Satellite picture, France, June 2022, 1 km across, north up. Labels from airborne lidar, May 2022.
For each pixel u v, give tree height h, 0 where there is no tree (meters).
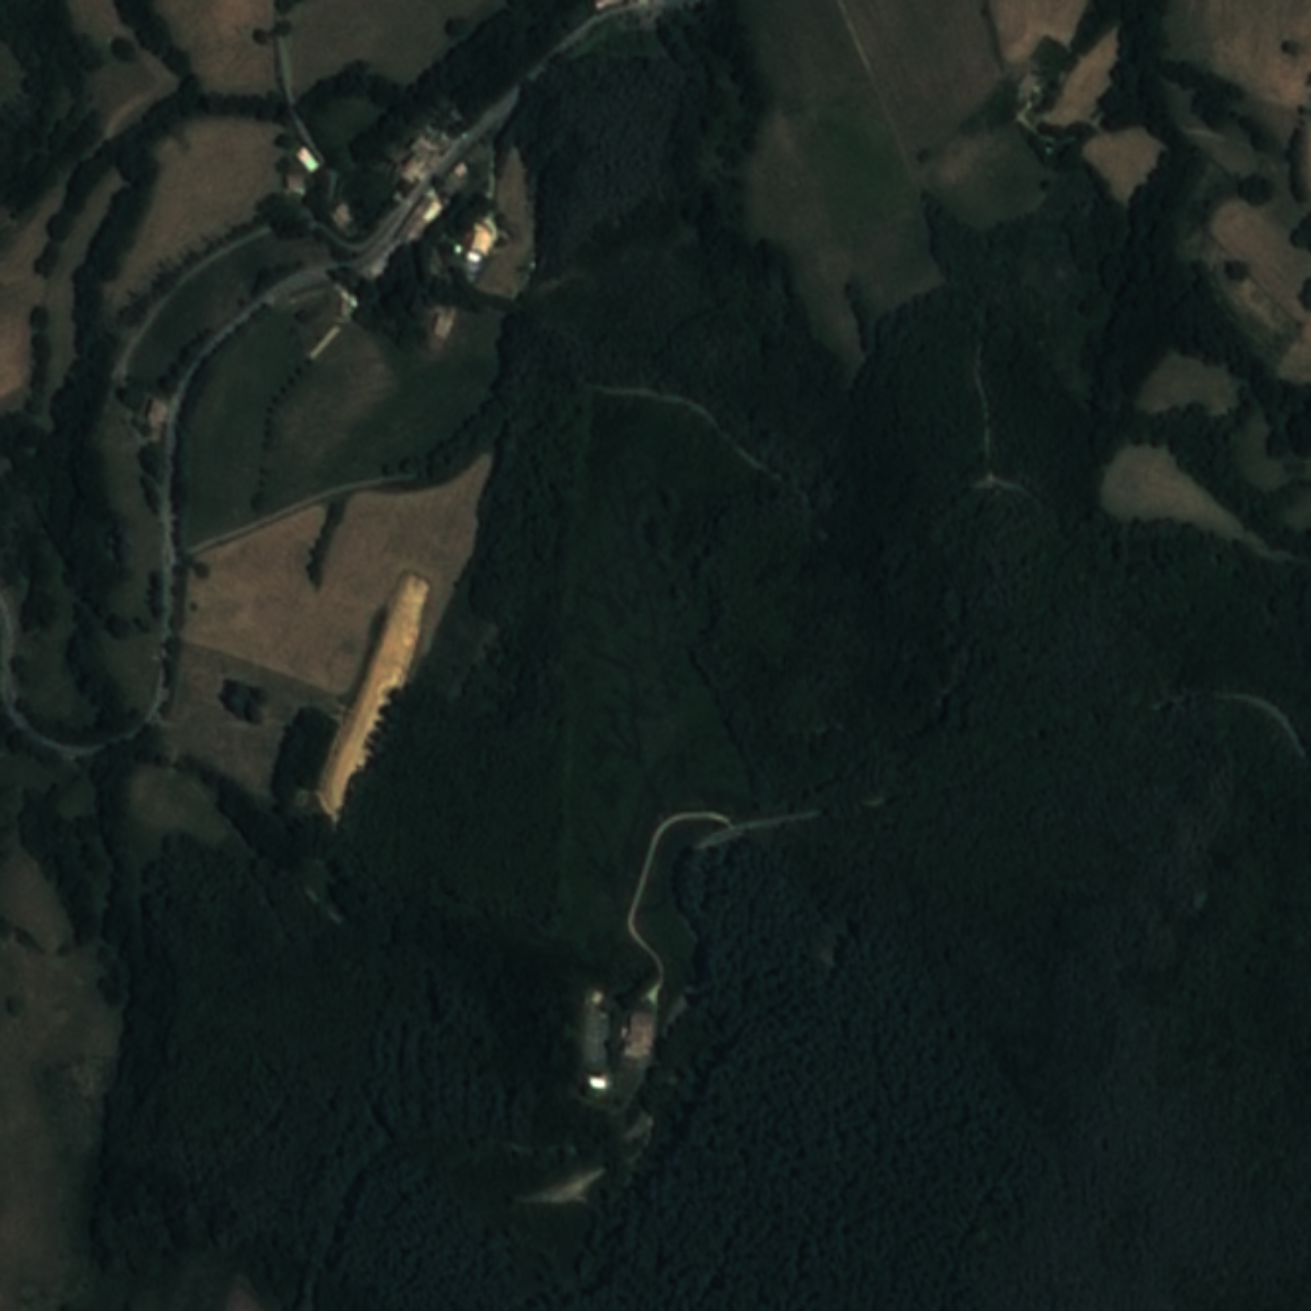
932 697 21
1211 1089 16
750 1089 28
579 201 18
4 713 9
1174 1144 13
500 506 15
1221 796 10
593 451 7
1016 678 20
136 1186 18
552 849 22
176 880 15
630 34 6
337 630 0
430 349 0
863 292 7
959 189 0
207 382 10
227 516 0
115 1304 0
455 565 0
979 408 8
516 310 17
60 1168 0
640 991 8
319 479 0
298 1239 20
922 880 16
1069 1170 15
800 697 19
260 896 18
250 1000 22
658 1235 33
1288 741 15
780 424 19
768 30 0
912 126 0
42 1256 0
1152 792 18
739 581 21
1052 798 20
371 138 16
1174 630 17
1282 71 0
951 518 13
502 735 18
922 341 13
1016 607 18
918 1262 23
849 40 0
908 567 22
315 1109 19
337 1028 20
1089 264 14
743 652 18
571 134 21
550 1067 18
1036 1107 14
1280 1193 14
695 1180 22
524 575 17
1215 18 0
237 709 28
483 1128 26
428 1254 25
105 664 7
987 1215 22
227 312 0
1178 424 12
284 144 16
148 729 12
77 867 24
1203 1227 12
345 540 0
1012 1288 14
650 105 24
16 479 11
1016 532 13
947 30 0
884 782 18
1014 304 15
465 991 23
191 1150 23
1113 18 10
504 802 23
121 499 0
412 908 27
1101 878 19
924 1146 29
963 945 17
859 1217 21
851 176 0
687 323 10
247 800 17
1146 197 17
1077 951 16
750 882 30
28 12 20
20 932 8
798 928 27
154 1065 14
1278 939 18
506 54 20
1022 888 19
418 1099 23
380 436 0
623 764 0
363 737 0
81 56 17
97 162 17
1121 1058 13
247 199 0
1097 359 9
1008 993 16
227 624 0
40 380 15
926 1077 30
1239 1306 9
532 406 15
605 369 20
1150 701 14
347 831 17
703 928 31
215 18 0
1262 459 0
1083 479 13
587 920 0
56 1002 0
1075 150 15
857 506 21
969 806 19
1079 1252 9
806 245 0
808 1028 31
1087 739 18
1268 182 14
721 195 8
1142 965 15
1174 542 18
